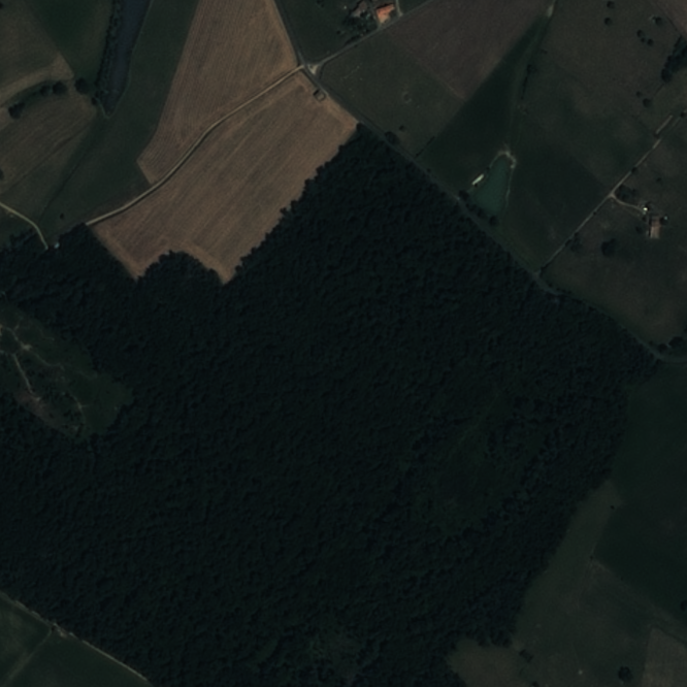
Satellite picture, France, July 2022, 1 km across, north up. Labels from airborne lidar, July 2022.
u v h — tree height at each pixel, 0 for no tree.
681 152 0
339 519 21
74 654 0
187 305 21
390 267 25
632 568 0
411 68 0
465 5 0
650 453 0
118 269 15
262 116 0
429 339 22
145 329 15
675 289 0
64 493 22
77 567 23
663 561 0
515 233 0
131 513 16
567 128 0
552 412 22
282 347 16
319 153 0
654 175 0
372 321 25
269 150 0
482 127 0
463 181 0
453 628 15
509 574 19
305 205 13
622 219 0
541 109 0
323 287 22
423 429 18
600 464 16
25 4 0
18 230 0
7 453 9
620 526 0
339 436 20
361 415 16
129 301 19
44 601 20
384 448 25
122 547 22
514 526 16
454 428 22
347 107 0
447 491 5
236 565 15
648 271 0
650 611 0
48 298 27
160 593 24
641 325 0
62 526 24
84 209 0
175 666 15
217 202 0
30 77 0
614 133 0
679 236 0
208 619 21
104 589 23
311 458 17
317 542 12
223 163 0
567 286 0
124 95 0
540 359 19
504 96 0
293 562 14
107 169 0
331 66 0
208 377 22
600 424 19
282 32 0
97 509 21
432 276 23
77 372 0
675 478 0
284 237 19
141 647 15
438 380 14
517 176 0
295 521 23
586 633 0
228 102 0
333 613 16
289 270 17
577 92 0
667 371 0
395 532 25
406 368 19
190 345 10
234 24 0
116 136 0
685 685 0
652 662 0
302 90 0
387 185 14
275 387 20
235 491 20
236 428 11
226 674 24
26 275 15
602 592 0
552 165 0
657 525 0
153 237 0
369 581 17
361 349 16
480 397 20
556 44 0
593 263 0
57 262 21
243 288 17
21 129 0
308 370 21
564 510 19
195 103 0
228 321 24
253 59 0
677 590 0
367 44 0
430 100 0
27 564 13
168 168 0
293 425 22
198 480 21
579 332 19
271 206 0
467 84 0
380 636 22
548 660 0
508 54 0
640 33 8
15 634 0
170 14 0
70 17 0
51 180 0
